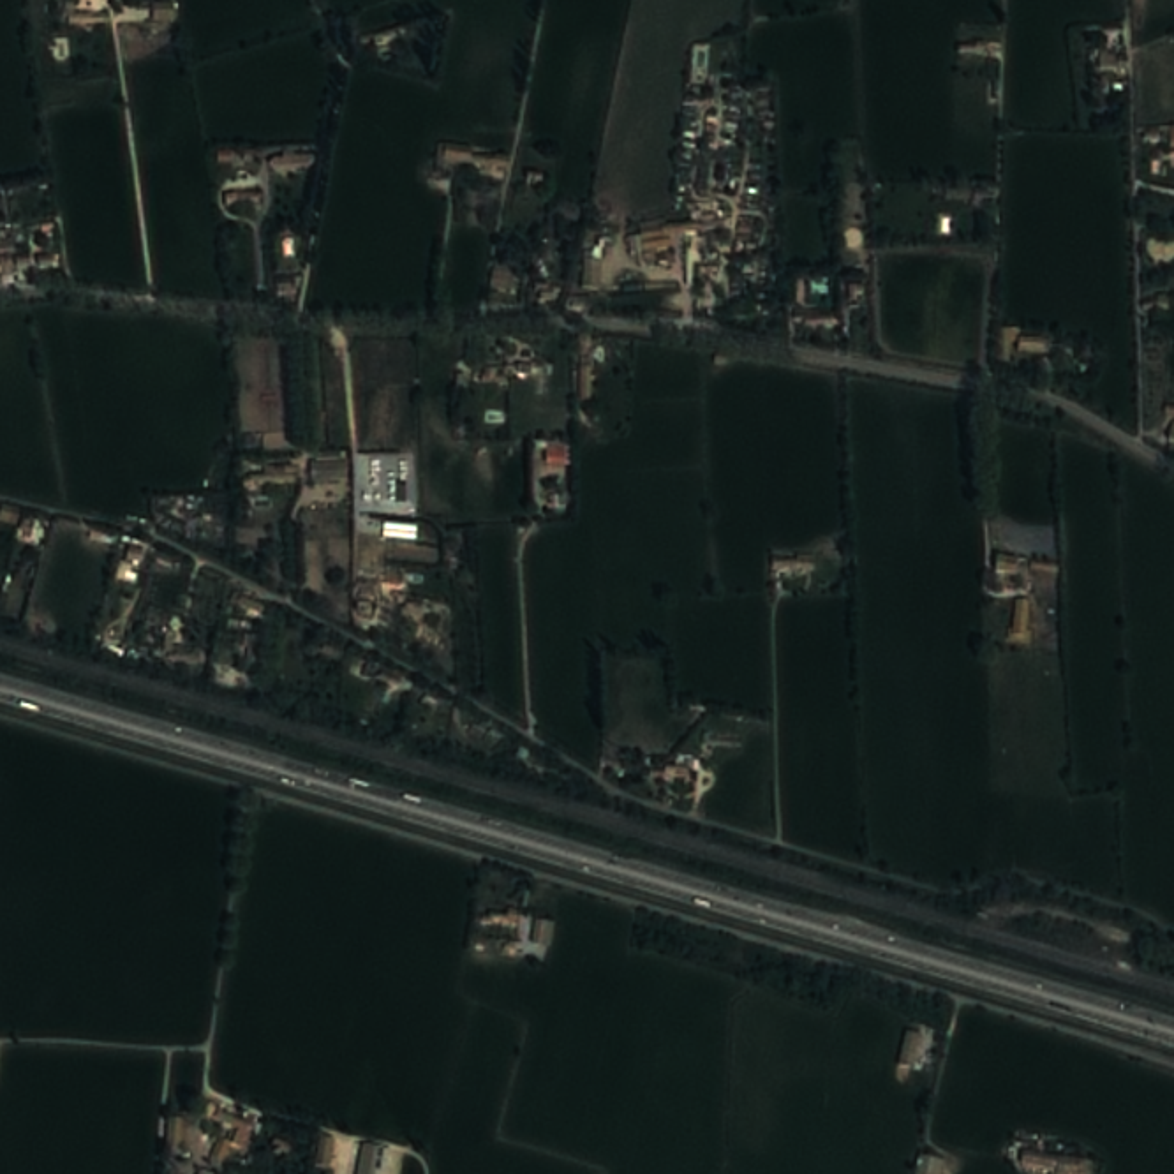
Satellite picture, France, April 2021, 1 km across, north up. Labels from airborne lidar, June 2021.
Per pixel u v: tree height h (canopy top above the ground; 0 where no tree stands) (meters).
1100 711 0
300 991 0
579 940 0
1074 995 0
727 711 8
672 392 0
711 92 12
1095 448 0
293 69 0
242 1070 0
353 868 0
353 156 0
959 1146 0
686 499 0
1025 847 0
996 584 16
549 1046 0
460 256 0
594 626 0
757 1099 0
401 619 10
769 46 0
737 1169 0
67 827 0
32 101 13
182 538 7
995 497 21
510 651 0
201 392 0
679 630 0
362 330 15
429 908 0
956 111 0
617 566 0
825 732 0
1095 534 0
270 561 15
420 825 0
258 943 0
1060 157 0
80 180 0
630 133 0
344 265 0
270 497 9
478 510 0
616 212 0
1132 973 0
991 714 0
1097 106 15
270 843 0
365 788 0
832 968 10
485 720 7
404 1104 0
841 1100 0
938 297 0
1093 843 0
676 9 0
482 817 0
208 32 0
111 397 0
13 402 0
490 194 10
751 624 0
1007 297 12
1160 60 0
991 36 0
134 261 0
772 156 7
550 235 8
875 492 0
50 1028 0
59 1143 0
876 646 0
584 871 0
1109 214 0
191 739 0
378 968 0
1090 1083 0
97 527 10
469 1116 0
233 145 11
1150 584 0
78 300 19
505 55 0
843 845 0
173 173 0
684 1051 0
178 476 0
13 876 0
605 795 6
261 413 0
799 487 0
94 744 0
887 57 0
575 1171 0
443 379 0
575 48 0
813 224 0
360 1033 0
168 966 0
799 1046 0
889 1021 0
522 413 0
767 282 8
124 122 0
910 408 0
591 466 0
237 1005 0
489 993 0
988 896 9
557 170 0
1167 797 0
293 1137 13
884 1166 0
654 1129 0
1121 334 0
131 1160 0
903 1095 0
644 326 18
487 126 0
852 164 0
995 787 0
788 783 0
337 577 9
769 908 0
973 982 0
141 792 0
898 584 0
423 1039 0
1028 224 0
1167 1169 0
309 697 8
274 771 0
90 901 0
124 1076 0
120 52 0
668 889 0
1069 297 0
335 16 14
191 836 0
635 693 0
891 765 0
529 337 22
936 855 0
